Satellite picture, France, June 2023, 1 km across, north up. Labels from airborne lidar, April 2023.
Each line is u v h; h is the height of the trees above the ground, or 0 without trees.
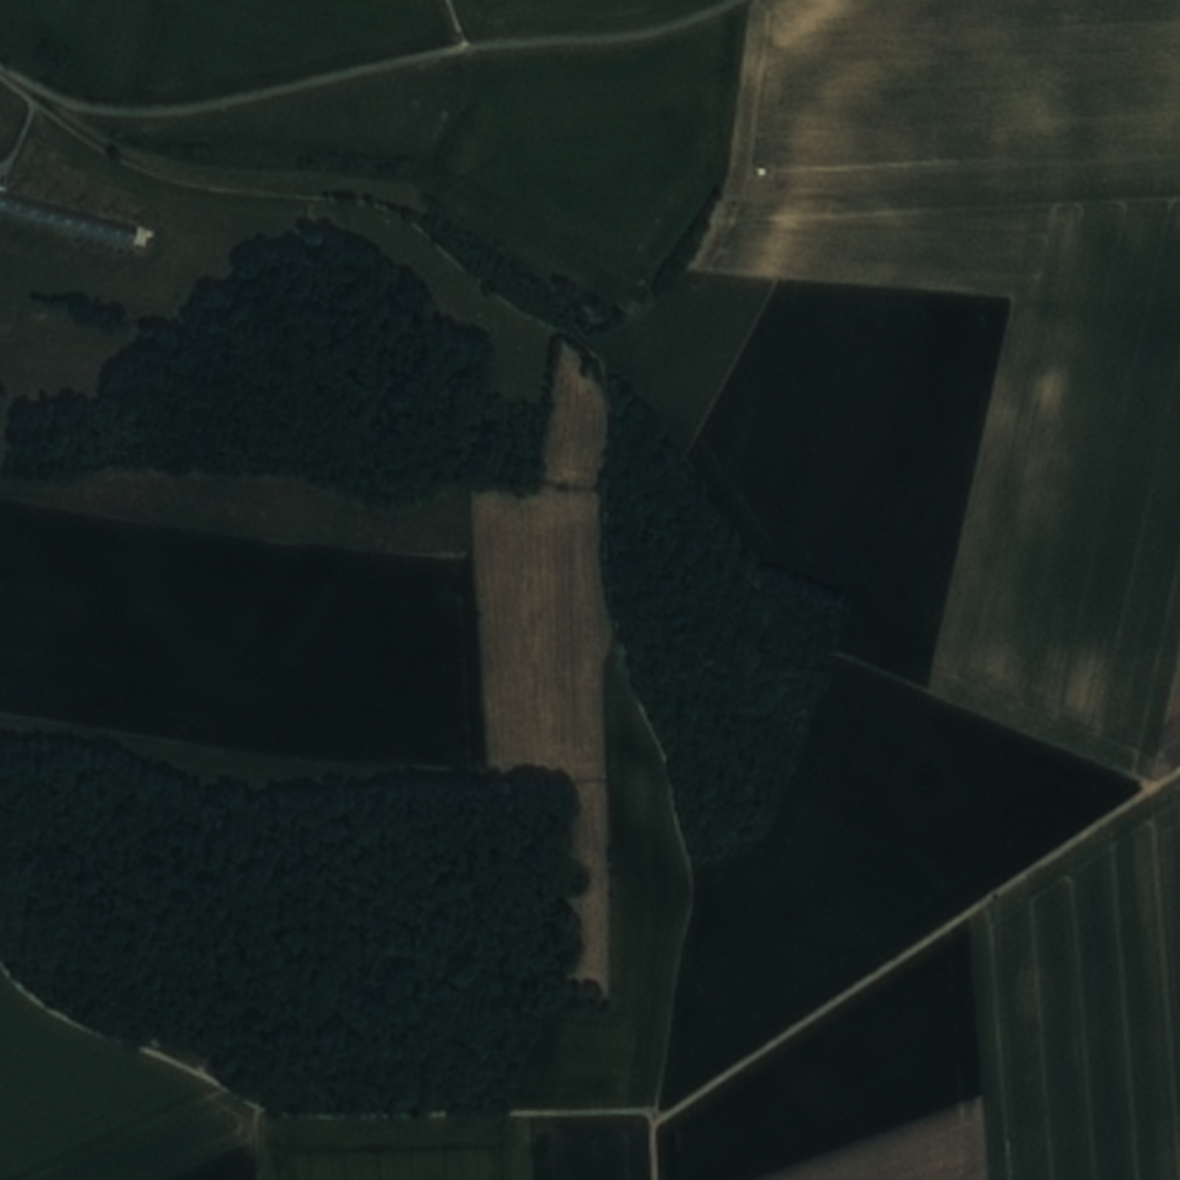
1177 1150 0
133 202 0
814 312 0
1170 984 0
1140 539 0
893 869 0
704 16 0
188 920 30
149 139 0
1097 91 0
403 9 0
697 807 12
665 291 6
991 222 0
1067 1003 0
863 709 0
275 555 0
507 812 27
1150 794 0
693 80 0
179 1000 17
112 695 0
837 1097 0
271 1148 0
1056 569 0
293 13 0
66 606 0
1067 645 0
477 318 0
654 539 14
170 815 25
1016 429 0
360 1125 0
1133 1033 0
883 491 0
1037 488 0
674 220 0
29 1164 0
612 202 0
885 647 0
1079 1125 0
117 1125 0
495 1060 22
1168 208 0
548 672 0
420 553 0
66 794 24
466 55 0
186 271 0
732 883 0
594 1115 0
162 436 20
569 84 0
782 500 0
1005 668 0
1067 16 0
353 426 29
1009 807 0
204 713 0
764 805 14
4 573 0
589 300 10
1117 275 0
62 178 0
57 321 0
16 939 17
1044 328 0
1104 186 0
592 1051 0
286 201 0
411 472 23
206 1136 0
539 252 0
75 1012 7
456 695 0
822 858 0
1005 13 0
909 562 0
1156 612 0
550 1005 14
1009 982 0
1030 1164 0
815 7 0
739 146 0
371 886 32
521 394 0
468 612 0
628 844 0
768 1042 0
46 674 0
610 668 0
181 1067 0
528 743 0
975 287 0
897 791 0
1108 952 0
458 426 23
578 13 0
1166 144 0
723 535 15
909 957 0
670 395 0
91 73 0
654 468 16
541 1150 0
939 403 0
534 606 0
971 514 0
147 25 0
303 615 0
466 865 29
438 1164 0
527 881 17
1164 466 0
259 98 0
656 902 0
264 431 28
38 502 0
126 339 0
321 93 0
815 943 0
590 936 0
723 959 0
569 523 0
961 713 0
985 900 0
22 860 19
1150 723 0
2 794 24
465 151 0
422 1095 22
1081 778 0
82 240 0
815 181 0
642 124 0
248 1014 25
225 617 0
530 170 0
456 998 27
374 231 0
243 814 24
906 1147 0
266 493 0
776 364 0
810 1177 0
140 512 0
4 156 0
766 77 0
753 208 0
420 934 30
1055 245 0
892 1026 0
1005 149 0
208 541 0
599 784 0
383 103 0
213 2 0
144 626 0
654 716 13
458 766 0
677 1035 0
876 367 0
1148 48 0
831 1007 0
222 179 0
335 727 0
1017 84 0
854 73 0
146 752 0
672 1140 0
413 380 27
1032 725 0
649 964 0
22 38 0
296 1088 18
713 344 0
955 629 0
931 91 0
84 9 0
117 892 25
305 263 23
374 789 10
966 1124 0
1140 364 0
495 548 0
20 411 17
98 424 8
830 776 0
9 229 0
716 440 0
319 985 30
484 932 25
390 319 24
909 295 0
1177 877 0
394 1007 29
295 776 0
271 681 0
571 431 0
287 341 30
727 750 14
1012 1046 0
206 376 25
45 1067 0
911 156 0
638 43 0
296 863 30
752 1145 0
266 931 30
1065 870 0
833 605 13
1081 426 0
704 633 15
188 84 0
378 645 0
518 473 22
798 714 10
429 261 0
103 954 25
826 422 0
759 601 16
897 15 0
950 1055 0
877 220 0
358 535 0
